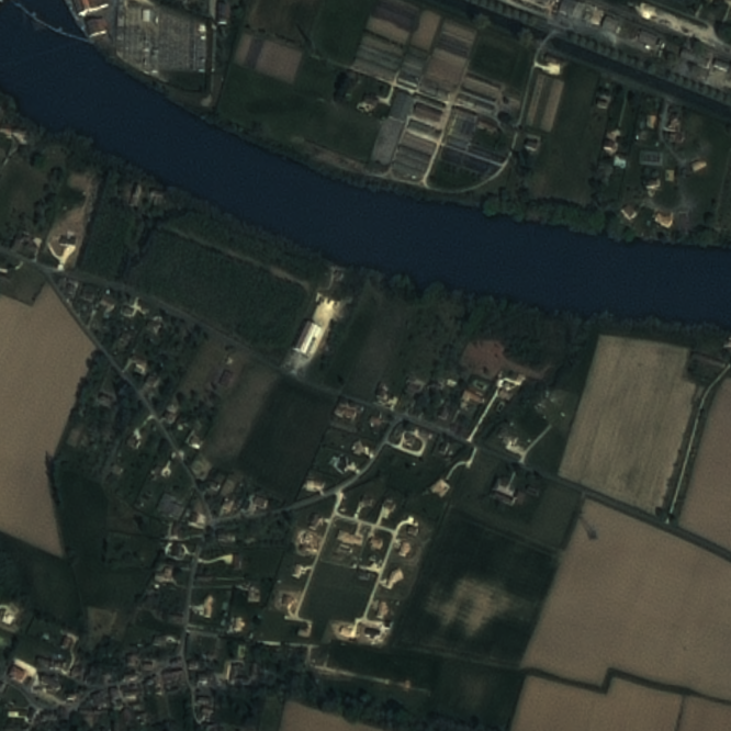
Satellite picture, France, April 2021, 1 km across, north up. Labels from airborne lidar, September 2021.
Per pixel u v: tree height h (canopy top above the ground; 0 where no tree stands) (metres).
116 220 18
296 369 0
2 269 0
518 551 0
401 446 0
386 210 0
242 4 8
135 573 0
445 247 0
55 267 0
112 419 20
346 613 0
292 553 0
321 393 0
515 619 0
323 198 0
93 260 17
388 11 0
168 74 0
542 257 0
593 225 26
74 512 0
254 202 0
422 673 0
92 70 0
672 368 0
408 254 0
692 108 0
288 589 0
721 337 17
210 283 19
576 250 0
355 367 0
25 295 0
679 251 0
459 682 0
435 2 0
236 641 8
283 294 17
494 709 0
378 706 20
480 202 15
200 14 17
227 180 0
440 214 0
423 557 0
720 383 0
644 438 0
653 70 16
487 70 0
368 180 12
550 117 0
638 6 0
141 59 0
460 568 0
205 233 19
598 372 0
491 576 0
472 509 0
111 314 6
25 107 0
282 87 0
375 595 0
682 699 0
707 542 0
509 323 14
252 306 18
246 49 0
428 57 0
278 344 16
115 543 0
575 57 0
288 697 12
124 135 0
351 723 16
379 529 0
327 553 0
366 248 0
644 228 0
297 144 0
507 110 0
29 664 0
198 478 0
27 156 10
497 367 0
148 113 0
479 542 0
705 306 0
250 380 0
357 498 0
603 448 0
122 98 0
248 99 0
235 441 0
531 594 0
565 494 0
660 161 0
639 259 0
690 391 0
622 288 0
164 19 0
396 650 0
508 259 0
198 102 0
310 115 0
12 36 0
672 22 0
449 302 14
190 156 0
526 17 14
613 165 8
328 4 0
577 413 0
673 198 0
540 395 12
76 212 0
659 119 7
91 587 0
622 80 0
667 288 0
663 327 19
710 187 0
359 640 0
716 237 18
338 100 7
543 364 0
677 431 0
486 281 0
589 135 0
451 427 6
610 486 0
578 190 0
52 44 0
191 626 0
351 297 14
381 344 0
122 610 0
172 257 20
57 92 0
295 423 0
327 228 0
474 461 0
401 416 0
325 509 0
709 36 0
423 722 9
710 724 0
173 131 0
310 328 0
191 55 0
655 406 0
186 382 0
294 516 11
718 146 0
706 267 0
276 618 0
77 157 10
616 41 0
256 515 0
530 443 0
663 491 0
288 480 0
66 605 0
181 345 8
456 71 0
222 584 0
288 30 0
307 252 15
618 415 0
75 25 0
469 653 0
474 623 0
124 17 0
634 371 0
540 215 20
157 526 0
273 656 14
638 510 0
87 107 0
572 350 17
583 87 0
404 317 0
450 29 0
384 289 15
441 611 0
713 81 0
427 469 0
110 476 6
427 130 0
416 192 6
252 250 18
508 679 0
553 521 0
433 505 0
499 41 0
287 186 0
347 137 0
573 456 0
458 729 23
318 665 0
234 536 6
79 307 7
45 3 0
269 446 0
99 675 14
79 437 0
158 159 0
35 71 0
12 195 0
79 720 8
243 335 17
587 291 0
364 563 0
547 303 0
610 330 18
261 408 0
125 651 0
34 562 0
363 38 0
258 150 0
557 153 0
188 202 18
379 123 0
